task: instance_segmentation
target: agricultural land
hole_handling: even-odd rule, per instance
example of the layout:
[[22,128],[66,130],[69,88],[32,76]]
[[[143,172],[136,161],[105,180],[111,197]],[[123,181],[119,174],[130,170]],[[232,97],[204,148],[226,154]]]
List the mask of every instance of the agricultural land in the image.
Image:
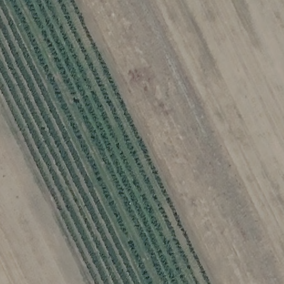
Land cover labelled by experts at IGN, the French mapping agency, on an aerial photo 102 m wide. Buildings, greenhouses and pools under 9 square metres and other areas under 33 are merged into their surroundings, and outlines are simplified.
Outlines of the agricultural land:
[[148,149],[156,171],[211,284],[284,284],[284,0],[79,0],[77,4],[85,24],[118,87],[126,109]]
[[0,284],[94,284],[0,90]]
[[68,0],[65,7],[200,284],[206,284],[70,0]]

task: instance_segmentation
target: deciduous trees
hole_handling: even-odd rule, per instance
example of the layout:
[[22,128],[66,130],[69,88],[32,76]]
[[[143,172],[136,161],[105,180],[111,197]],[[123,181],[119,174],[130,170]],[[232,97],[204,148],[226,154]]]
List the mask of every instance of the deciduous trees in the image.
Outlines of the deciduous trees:
[[200,284],[65,7],[68,0],[0,0],[0,90],[94,284]]
[[79,0],[70,0],[206,284],[211,284],[156,171],[148,149],[126,109],[118,87],[85,24],[77,4]]

